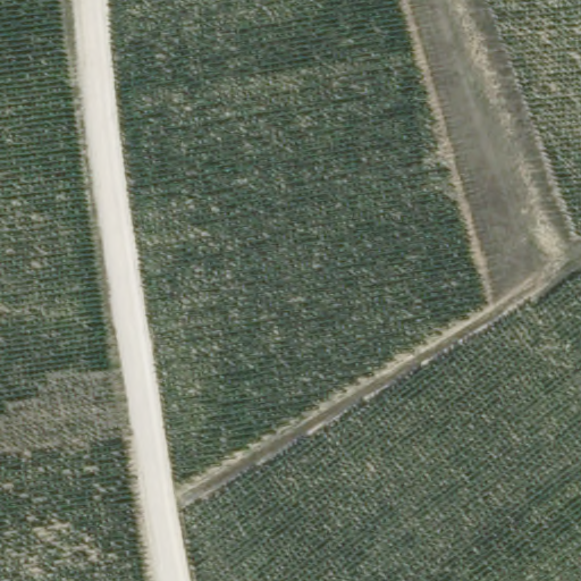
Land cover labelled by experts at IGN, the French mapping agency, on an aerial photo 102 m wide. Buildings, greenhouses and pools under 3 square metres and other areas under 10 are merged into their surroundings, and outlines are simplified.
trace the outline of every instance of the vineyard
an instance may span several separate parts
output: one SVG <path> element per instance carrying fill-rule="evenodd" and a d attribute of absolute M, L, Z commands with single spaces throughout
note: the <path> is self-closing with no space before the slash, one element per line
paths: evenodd
<path fill-rule="evenodd" d="M 134 243 L 138 252 L 138 272 L 152 340 L 154 372 L 161 397 L 163 431 L 172 472 L 172 492 L 191 581 L 581 581 L 581 0 L 109 0 L 111 64 L 116 77 L 116 104 L 127 195 Z"/>
<path fill-rule="evenodd" d="M 86 123 L 77 82 L 73 0 L 0 0 L 0 581 L 148 581 L 145 554 L 138 531 L 141 506 L 136 502 L 136 492 L 132 490 L 136 477 L 129 470 L 129 445 L 134 431 L 129 422 L 118 336 L 111 318 L 109 279 L 104 268 L 102 234 L 98 225 L 98 204 L 93 193 L 93 172 L 86 154 Z"/>

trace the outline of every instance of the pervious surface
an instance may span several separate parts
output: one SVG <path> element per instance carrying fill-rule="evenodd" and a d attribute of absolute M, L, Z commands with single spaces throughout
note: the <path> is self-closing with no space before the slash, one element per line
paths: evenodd
<path fill-rule="evenodd" d="M 138 252 L 134 243 L 127 195 L 116 104 L 116 77 L 111 64 L 109 0 L 73 0 L 77 82 L 86 123 L 86 154 L 93 172 L 93 193 L 98 204 L 98 225 L 102 234 L 104 268 L 109 279 L 111 318 L 118 336 L 129 422 L 134 431 L 129 445 L 129 470 L 136 477 L 132 490 L 136 492 L 136 502 L 141 506 L 138 531 L 145 554 L 148 581 L 191 581 L 172 492 L 172 472 L 163 431 L 161 397 L 154 372 L 152 340 L 138 272 Z"/>

